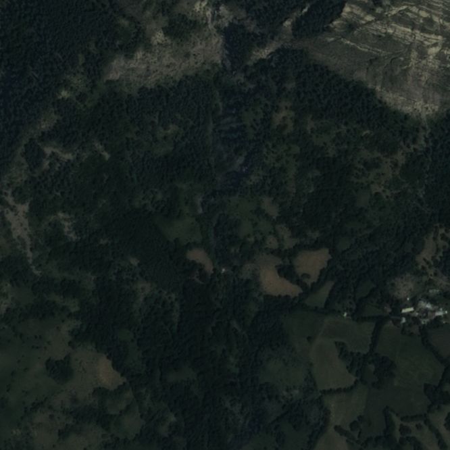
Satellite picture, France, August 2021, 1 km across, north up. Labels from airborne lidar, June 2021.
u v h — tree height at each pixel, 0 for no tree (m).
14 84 25
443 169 8
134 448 0
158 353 14
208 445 8
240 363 10
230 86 6
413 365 0
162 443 11
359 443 10
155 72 6
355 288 12
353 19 0
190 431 19
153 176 30
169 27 8
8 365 0
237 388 25
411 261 18
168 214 19
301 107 7
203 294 20
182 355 13
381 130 29
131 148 13
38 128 6
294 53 25
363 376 11
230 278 10
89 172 6
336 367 0
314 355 0
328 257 0
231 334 8
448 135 14
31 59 16
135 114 14
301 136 9
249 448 0
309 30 36
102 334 19
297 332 0
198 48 0
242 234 0
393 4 0
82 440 0
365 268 13
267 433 10
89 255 20
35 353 0
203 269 12
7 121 25
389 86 0
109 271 16
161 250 34
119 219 22
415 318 9
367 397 0
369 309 0
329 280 9
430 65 0
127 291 7
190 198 7
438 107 0
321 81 23
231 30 6
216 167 7
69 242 12
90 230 8
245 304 19
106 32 17
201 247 7
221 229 12
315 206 10
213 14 0
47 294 12
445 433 0
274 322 28
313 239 8
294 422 17
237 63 21
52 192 18
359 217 12
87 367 0
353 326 0
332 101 32
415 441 11
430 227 13
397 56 0
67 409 7
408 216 6
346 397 0
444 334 0
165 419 8
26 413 10
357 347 0
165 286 22
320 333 0
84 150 16
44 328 0
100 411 8
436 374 0
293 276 13
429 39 0
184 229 0
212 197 8
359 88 14
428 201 7
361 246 14
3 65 8
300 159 8
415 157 6
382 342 0
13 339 0
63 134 11
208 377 25
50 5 18
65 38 17
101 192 7
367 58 8
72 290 19
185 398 20
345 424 0
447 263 20
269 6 9
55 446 10
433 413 11
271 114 6
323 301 0
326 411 11
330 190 9
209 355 8
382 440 18
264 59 12
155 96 14
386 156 6
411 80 0
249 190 6
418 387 0
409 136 29
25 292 0
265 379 0
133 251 19
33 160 26
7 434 0
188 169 25
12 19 14
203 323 22
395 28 0
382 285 15
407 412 0
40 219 7
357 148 8
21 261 7
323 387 0
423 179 6
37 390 0
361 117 31
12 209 11
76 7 15
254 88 6
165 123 24
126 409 7
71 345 13
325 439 0
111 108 10
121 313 25
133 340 9
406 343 0
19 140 20
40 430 0
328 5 34
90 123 8
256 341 17
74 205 11
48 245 10
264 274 0
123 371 14
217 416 10
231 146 13
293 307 16
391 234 8
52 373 7
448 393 12
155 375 21
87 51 9
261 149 13
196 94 21
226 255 8
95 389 9
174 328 19
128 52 17
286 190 7
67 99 9
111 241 17
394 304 14
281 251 15
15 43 21
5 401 8
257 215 6
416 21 0
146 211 16
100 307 10
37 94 12
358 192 10
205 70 8
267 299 15
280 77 7
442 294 9
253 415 6
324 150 11
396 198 9
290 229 13
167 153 8
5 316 8
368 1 0
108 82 13
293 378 0
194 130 27
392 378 11
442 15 0
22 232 0
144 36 11
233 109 14
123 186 11
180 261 19
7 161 24
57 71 5
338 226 11
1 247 9
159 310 15
